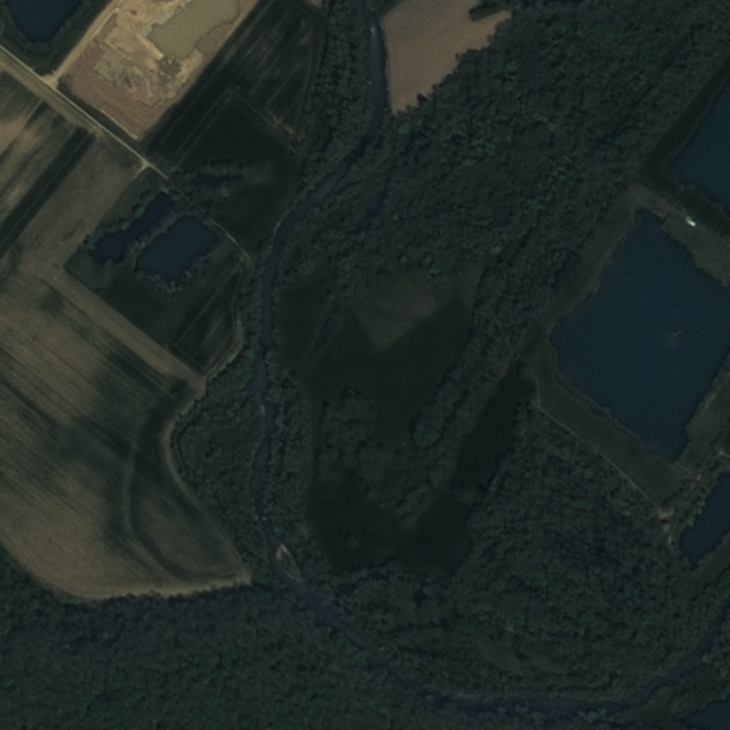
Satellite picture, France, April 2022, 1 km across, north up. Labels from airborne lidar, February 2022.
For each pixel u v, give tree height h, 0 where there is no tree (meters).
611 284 0
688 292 0
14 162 0
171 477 0
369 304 0
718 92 0
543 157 20
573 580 29
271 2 0
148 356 0
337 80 12
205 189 14
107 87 0
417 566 0
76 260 0
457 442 16
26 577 0
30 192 0
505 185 8
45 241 0
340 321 0
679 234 0
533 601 26
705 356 0
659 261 0
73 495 0
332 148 19
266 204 0
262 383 0
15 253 0
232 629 33
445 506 0
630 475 8
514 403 0
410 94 0
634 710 13
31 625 26
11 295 0
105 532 0
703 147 0
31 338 0
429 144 24
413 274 0
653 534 27
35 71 0
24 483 0
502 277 14
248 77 0
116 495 0
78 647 25
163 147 0
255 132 0
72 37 0
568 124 10
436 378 0
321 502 0
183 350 0
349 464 18
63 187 0
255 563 19
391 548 0
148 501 0
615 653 19
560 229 21
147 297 0
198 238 0
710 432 0
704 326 0
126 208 0
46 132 0
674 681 0
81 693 27
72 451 0
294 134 0
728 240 9
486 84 18
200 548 0
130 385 0
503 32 18
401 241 20
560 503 27
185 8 0
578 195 17
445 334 0
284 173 0
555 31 27
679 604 19
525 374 20
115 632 33
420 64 0
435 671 21
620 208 0
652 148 11
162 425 0
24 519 0
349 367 0
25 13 0
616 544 24
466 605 17
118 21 0
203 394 0
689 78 16
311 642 33
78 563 0
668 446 0
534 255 12
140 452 0
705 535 0
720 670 9
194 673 26
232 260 0
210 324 0
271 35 0
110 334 0
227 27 0
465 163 16
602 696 11
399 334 0
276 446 16
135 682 28
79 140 0
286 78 0
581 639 21
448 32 0
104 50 0
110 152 0
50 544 0
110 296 0
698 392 0
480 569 18
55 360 0
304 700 24
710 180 0
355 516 0
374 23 0
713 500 0
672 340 0
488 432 0
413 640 18
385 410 0
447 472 15
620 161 23
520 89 7
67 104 0
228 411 12
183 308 0
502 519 24
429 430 23
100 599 0
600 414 0
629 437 0
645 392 0
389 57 0
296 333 0
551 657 7
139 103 0
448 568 0
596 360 0
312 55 0
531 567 27
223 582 0
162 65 0
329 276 0
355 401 22
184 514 0
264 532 0
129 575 0
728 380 0
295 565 0
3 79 0
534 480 7
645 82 8
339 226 6
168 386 0
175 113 0
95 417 0
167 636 30
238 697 24
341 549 0
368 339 0
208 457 7
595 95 21
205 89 0
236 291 0
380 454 20
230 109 0
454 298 0
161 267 0
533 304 16
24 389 0
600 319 0
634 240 0
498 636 12
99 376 0
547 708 0
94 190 0
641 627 18
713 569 0
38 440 0
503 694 11
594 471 11
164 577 0
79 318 0
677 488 0
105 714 25
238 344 0
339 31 6
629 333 0
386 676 19
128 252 10
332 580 14
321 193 0
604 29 20
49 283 0
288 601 22
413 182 19
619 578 25
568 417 0
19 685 24
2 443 0
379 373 0
